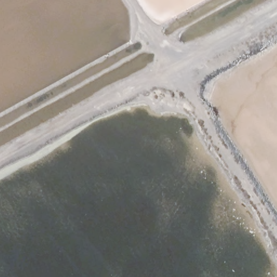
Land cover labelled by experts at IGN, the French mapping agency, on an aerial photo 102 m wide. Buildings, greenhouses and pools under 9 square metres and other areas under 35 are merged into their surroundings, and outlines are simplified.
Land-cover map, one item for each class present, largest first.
<instances>
[{"label":"water","instance_id":"1","mask_svg":"<svg viewBox=\"0 0 277 277\"><path fill-rule=\"evenodd\" d=\"M130 17L122 0H0V113L128 42ZM154 22L168 24L164 35H171L176 29L227 0H137ZM266 0H238L189 27L181 36V42L208 35L217 27L233 21L243 12ZM141 49V43L136 42L129 48L107 57L104 62L84 70L76 77L0 118V127ZM219 110V120L229 140L239 149L240 156L248 164L277 211V49L261 61L240 69L232 80L221 82L212 100L209 101ZM154 54L142 53L135 56L129 62L106 72L100 78L0 132V146L87 100L107 85L145 68L153 62ZM194 130L186 118L151 116L142 107L135 108L131 113L122 111L91 124L49 155L0 181V277H266L268 269L271 268V260L258 239L245 228L240 232H234L233 228L229 227L220 230L209 220L220 190L216 182L203 180L201 173L185 167L190 148L183 141L181 134L185 132L192 135Z\"/></svg>","mask_w":277,"mask_h":277},{"label":"pervious surface","instance_id":"2","mask_svg":"<svg viewBox=\"0 0 277 277\"><path fill-rule=\"evenodd\" d=\"M238 0H227L176 29L171 35H164L168 24L154 22L137 0H122L130 17L128 42L0 113V118L76 77L84 70L104 62L107 57L129 48L136 42L141 43V49L0 127V132L100 78L106 72L129 62L135 56L142 53L154 54L153 62L145 68L107 85L87 100L0 146V181L49 155L91 124L122 111L131 113L135 108L142 107L151 116L186 118L194 130L192 135L185 132L181 134L183 141L190 148L185 167L201 173L203 180L216 182L220 190L209 220L220 230L229 227L233 228L234 232H240L245 228L258 239L271 260V268L268 269L266 277H277V225L274 222V214L267 213L261 198L253 192V184L245 170H242L230 149L224 147L217 136L208 115V107L202 105L199 97L200 83L211 72L232 63L242 51L249 53L251 45L263 44L260 53L222 72L207 83L205 97L209 101L212 100L221 82L232 80L240 69L261 61L277 49V0H266L243 12L233 21L217 27L208 35L181 42V36L189 27Z\"/></svg>","mask_w":277,"mask_h":277},{"label":"brushwood","instance_id":"3","mask_svg":"<svg viewBox=\"0 0 277 277\"><path fill-rule=\"evenodd\" d=\"M263 44L251 45L249 53L242 51L232 63L211 72L200 83L199 97L202 105L208 107V115L217 136L224 147L230 149L242 170H245L253 184V192L261 198L267 213L274 214V222L277 225V211L248 164L240 156L239 149L229 140L219 120V110L209 101L205 97L207 83L222 72L260 53Z\"/></svg>","mask_w":277,"mask_h":277}]
</instances>
